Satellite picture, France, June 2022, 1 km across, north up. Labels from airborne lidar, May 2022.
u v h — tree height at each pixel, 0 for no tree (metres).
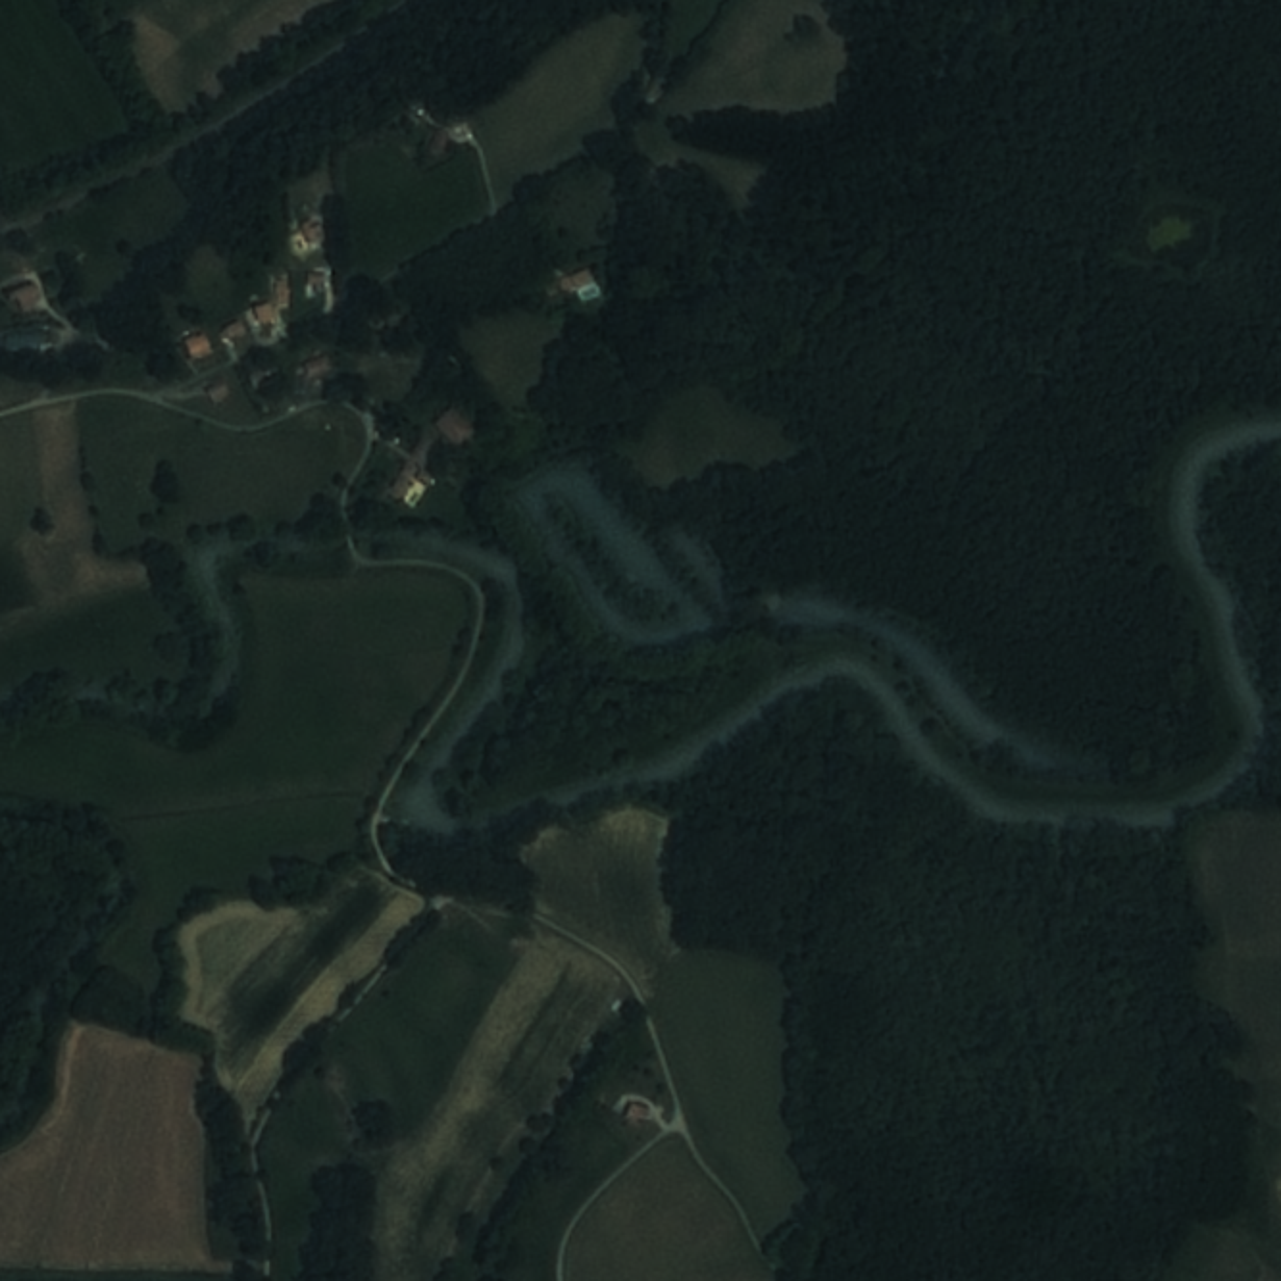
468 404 15
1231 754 0
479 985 0
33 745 0
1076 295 16
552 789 0
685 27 0
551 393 16
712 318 27
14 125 0
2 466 0
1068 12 21
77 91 0
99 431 0
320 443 0
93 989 12
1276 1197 0
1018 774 8
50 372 22
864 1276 16
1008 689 13
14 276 0
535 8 21
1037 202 16
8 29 0
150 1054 0
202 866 0
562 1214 0
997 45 28
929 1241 19
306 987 0
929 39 19
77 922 12
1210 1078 18
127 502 0
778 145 18
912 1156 14
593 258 9
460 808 23
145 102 17
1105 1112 8
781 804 19
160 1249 0
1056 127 17
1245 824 0
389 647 0
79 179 24
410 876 21
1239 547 12
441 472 14
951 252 18
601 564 14
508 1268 22
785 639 13
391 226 0
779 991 0
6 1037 27
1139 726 17
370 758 0
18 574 0
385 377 0
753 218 21
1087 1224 13
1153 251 0
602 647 27
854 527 15
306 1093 0
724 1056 0
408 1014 0
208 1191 0
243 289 0
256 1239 20
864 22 26
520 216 11
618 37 0
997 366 21
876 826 25
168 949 20
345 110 20
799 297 26
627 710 29
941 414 11
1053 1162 15
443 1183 0
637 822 0
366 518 27
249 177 19
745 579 20
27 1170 0
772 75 0
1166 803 0
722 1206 0
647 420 19
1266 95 12
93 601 0
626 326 27
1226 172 13
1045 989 6
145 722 10
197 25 0
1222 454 0
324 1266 24
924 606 17
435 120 8
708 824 18
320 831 0
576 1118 25
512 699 9
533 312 15
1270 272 13
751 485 19
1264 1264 0
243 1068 0
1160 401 19
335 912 0
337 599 0
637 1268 0
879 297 9
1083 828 18
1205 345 11
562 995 0
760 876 28
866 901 7
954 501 10
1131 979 13
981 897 7
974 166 20
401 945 9
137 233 0
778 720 19
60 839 28
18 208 22
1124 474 19
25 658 0
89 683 7
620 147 21
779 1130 0
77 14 19
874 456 14
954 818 20
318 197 0
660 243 32
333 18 15
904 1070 10
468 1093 0
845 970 11
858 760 23
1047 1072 13
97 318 21
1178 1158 19
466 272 12
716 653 25
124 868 9
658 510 19
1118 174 12
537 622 14
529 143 0
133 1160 0
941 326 11
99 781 0
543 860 0
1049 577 11
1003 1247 18
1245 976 0
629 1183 0
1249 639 18
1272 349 15
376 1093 0
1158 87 14
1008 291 17
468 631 7
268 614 0
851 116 17
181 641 7
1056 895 18
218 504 0
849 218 19
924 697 8
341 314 19
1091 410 13
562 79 0
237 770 0
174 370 19
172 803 0
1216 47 20
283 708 0
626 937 0
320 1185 20
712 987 0
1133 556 15
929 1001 15
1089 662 21
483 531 13
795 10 0
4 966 12
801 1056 18
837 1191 19
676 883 23
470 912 0
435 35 18
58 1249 0
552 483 0
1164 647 22
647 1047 0
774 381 13
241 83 19
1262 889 0
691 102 0
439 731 0
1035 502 11
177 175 17
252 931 0
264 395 17
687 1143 0
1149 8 13
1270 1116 0
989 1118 15
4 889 14
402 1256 0
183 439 0
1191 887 9
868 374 9
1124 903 9
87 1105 0
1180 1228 23
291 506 0
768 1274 0
